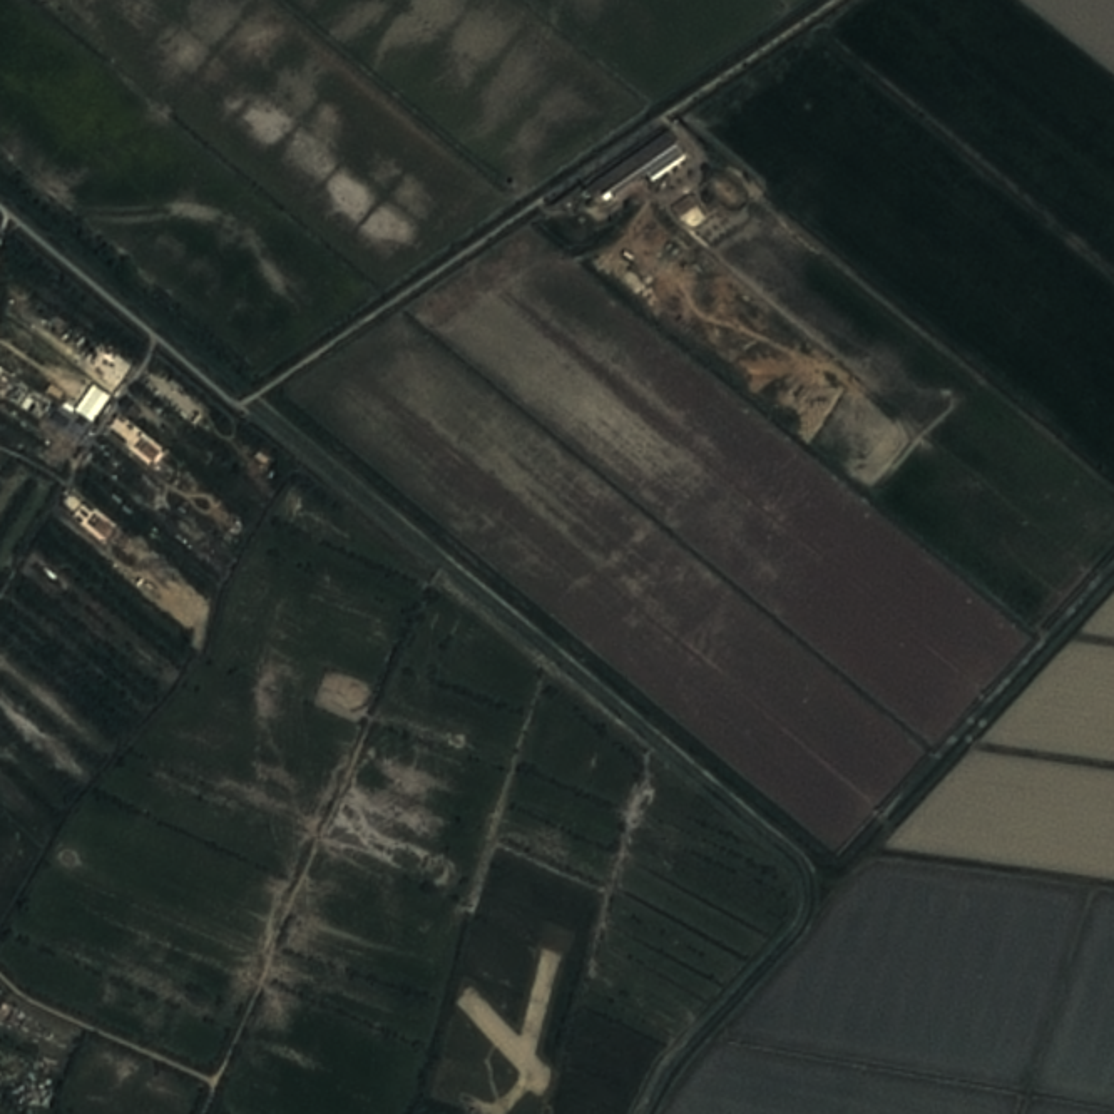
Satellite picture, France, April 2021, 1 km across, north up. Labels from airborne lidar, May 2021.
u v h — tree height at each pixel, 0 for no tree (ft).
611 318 0
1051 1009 0
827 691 0
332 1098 0
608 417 0
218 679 0
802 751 0
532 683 0
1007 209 0
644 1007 0
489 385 0
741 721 0
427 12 0
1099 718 0
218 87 0
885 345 0
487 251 0
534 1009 0
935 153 0
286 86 0
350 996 0
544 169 0
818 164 0
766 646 0
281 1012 0
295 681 0
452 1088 0
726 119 0
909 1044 0
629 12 0
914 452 0
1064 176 0
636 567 0
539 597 0
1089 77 0
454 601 0
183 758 0
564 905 0
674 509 0
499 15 0
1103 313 0
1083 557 0
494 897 0
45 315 0
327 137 0
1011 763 0
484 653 0
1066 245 0
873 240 0
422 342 0
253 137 0
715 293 0
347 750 0
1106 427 0
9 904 0
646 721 0
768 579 0
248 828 0
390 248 0
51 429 0
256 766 0
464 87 0
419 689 0
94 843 0
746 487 0
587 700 0
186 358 0
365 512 0
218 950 0
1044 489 0
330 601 0
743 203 0
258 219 0
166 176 0
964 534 0
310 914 0
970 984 0
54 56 0
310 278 0
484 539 0
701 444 0
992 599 0
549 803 0
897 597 0
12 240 25
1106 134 0
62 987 0
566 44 0
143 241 0
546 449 0
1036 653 0
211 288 0
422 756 0
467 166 0
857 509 0
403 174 0
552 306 0
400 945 0
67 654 18
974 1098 0
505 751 0
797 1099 0
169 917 0
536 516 0
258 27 0
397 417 0
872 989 0
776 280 0
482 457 0
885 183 0
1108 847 0
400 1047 0
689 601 0
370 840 0
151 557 0
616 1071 0
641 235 0
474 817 0
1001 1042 0
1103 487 0
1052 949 0
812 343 0
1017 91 0
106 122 0
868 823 0
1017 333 0
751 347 0
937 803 0
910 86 0
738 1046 0
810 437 0
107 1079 0
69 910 0
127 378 0
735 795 0
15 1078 0
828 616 0
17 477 0
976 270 0
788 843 0
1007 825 0
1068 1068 0
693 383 0
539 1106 0
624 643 0
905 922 0
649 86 0
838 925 0
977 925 0
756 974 0
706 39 0
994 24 0
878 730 0
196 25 0
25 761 0
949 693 0
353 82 0
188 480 0
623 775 0
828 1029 0
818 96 0
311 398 0
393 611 0
